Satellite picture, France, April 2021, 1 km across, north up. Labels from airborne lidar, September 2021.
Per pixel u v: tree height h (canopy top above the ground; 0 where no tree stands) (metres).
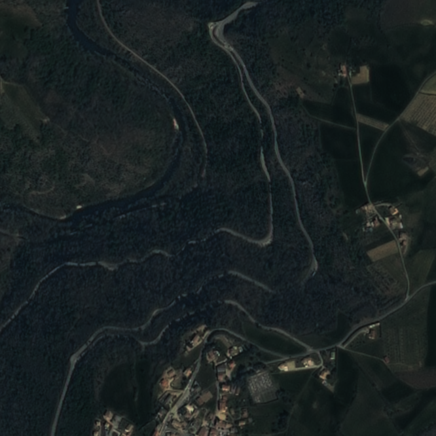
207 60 7
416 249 0
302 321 14
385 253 0
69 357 7
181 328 12
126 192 15
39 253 13
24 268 10
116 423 0
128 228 8
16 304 6
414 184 0
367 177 0
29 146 6
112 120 14
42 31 10
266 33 10
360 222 0
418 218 0
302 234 15
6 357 6
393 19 0
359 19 0
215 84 11
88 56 14
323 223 15
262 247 7
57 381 9
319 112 0
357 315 11
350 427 0
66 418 7
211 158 6
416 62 0
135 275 9
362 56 0
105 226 11
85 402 6
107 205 0
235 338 7
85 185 7
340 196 0
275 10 11
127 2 0
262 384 0
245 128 11
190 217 9
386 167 0
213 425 7
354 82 0
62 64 6
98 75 12
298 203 10
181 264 14
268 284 14
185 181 17
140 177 6
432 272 0
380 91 0
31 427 7
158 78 19
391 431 0
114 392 0
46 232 17
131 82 9
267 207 8
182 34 5
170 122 14
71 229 5
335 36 0
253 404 7
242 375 14
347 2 7
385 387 0
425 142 0
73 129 7
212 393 0
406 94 0
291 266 24
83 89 9
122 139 9
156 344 7
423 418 0
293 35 10
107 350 11
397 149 0
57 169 10
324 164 8
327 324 10
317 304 18
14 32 0
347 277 15
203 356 6
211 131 15
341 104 0
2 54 0
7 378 7
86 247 7
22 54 0
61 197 16
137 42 6
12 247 10
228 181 7
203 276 7
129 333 12
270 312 13
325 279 23
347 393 0
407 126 0
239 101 8
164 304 17
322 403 0
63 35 19
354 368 0
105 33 10
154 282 13
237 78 15
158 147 11
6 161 9
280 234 9
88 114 13
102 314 6
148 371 0
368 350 0
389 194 0
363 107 0
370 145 0
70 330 6
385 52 0
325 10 12
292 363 0
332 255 6
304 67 0
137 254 19
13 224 11
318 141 10
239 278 8
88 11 11
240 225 6
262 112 8
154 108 16
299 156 9
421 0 0
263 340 0
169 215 9
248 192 13
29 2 9
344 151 0
